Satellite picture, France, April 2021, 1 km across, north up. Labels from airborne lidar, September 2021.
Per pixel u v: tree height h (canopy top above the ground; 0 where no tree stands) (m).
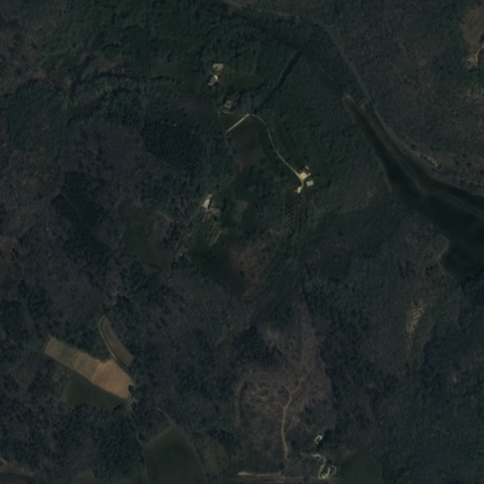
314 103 16
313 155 21
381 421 20
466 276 0
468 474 15
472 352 19
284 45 17
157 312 22
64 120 11
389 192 9
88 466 18
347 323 14
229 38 27
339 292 18
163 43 13
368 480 0
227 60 17
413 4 16
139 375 12
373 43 11
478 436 19
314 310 21
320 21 16
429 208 0
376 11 12
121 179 13
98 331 14
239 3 18
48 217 12
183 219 15
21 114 10
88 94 23
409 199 0
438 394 24
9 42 16
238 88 0
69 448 28
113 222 16
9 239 6
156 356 28
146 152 14
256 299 8
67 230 14
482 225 0
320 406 11
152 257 0
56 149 12
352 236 14
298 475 16
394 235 13
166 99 6
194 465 0
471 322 16
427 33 17
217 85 12
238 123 0
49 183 7
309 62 16
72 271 19
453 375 14
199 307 20
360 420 18
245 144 0
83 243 15
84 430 31
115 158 11
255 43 28
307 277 12
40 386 25
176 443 0
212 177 17
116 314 18
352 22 9
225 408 21
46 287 14
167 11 24
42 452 30
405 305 11
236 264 7
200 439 21
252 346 27
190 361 21
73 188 15
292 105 16
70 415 13
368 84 11
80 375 0
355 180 21
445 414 21
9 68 25
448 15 21
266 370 26
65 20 18
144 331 20
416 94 11
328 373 19
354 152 26
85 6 21
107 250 16
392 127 17
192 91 6
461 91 7
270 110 16
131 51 8
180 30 23
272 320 6
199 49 13
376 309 20
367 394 19
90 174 14
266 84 7
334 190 20
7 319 25
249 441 15
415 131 8
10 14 15
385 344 18
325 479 0
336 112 19
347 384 29
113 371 0
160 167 9
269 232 19
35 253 6
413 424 20
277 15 13
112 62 8
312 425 23
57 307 13
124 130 13
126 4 22
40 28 15
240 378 22
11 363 26
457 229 0
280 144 17
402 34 11
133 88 19
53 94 15
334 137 21
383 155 0
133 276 17
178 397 19
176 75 0
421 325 15
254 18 22
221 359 18
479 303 17
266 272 7
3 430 23
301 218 6
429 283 14
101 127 18
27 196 11
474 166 6
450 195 0
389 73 12
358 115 0
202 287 18
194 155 16
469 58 16
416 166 0
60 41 24
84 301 12
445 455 15
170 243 12
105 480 20
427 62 9
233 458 11
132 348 22
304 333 0
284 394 0
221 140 7
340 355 19
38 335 17
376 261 18
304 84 19
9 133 8
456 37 18
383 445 21
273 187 20
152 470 0
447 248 0
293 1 18
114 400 0
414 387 24
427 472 20
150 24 22
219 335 21
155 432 18
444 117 10
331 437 25
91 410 19
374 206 11
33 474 19
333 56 24
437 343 14
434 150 17
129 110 21
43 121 12
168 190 8
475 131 14
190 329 22
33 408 24
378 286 13
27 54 17
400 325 15
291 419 0
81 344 8
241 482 0
